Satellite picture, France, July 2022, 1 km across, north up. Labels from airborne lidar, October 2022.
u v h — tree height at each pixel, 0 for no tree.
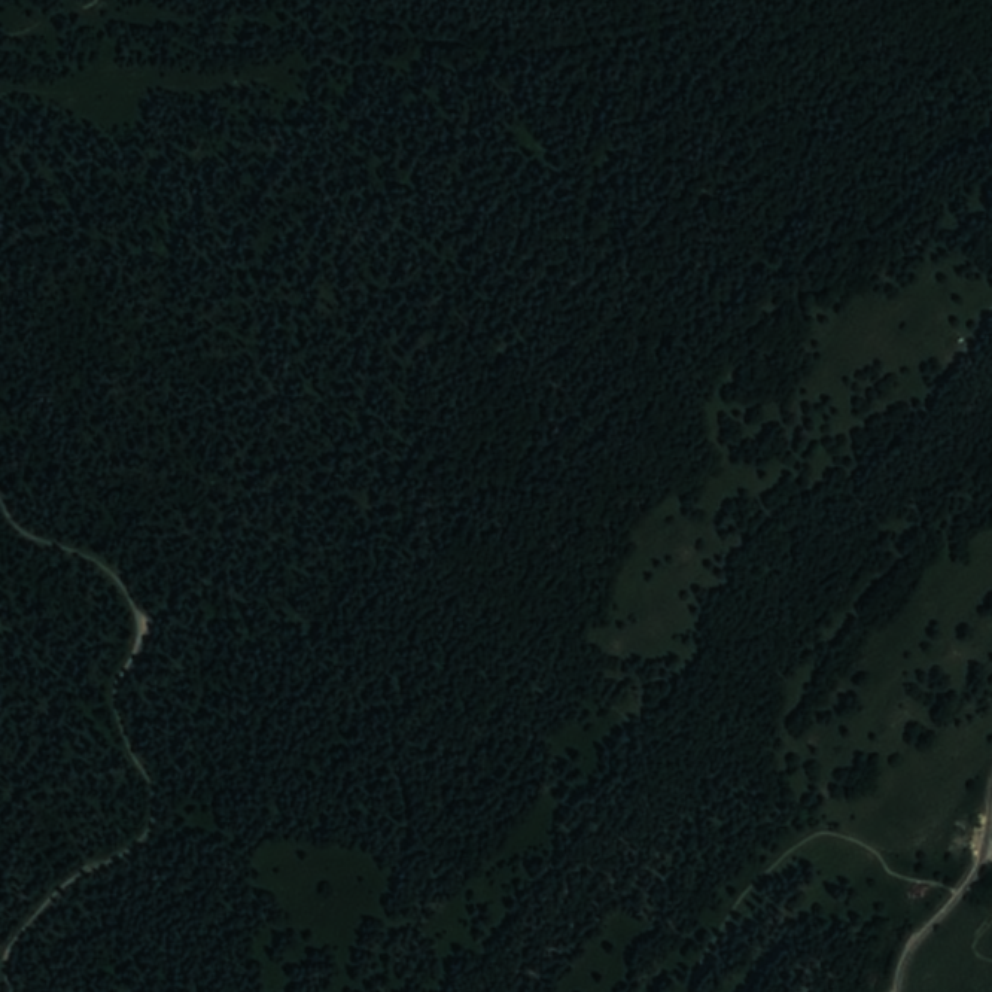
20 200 22
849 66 24
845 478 19
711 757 19
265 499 15
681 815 16
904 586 17
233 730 25
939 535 13
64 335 6
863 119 17
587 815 26
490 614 18
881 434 18
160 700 28
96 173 27
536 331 21
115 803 19
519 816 17
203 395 22
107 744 32
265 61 14
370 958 27
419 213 16
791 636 18
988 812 0
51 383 14
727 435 18
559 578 18
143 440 14
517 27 23
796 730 16
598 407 25
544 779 27
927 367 16
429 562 23
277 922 18
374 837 26
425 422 16
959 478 21
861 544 20
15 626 10
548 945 24
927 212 20
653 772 19
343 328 17
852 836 0
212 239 19
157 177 27
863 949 15
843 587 23
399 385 17
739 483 0
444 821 19
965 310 0
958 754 0
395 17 32
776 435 17
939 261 17
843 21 21
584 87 18
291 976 24
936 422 20
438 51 16
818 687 20
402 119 19
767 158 20
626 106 21
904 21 26
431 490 19
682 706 22
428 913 16
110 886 14
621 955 0
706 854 20
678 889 23
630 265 22
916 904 0
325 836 24
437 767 26
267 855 0
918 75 18
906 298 0
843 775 17
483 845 18
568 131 25
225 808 14
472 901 14
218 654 19
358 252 24
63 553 25
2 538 11
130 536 6
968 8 22
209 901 19
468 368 19
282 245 22
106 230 27
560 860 22
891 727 0
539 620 22
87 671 24
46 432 24
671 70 26
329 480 27
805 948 25
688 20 13
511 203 18
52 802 16
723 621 14
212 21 22
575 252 20
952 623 0
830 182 20
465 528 23
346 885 0
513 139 32
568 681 17
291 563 28
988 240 20
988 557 0
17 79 11
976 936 0
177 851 12
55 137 13
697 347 23
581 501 18
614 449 21
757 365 16
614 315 19
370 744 21
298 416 28
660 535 0
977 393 22
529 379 18
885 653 0
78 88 0
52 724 25
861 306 0
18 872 17
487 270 19
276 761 19
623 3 20
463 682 23
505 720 20
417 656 20
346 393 25
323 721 21
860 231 24
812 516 18
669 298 31
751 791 19
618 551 22
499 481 25
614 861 17
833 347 0
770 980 27
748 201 20
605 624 21
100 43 8
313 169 25
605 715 13
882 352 0
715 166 17
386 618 19
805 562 22
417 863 25
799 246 26
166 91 10
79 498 25
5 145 27
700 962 0
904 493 19
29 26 0
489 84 22
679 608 0
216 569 18
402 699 10
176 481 22
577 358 27
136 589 8
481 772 27
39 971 21
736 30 26
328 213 20
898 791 0
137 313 13
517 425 20
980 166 26
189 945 20
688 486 19
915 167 23
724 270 29
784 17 24
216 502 25
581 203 17
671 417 20
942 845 0
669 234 17
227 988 25
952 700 18
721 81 9
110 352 6
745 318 26
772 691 22
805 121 29
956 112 31
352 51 7
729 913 0
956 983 0
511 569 20
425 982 9
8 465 22
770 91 22
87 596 24
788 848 0
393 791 22
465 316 9
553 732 16
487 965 23
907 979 0
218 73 13
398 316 7
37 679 30
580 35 19
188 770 25
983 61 19
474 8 26
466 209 25
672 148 22
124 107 0
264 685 15
